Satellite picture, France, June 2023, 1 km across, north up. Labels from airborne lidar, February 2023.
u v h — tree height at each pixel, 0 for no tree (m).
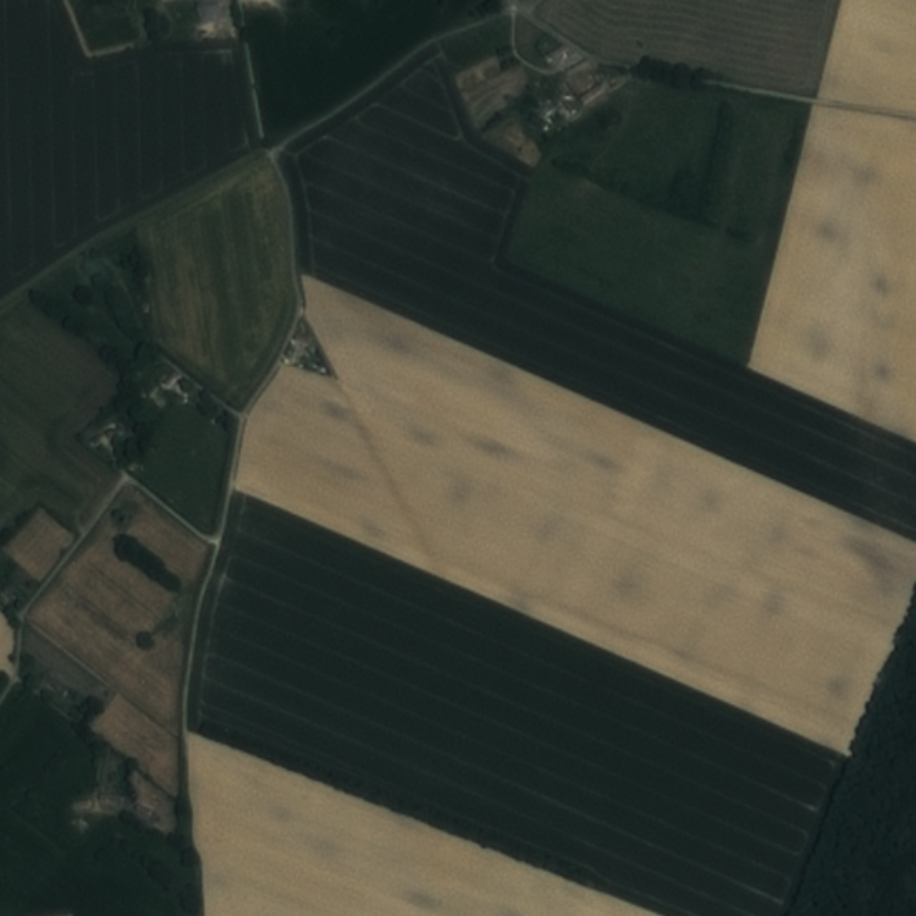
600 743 0
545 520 0
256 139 0
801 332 0
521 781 0
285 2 0
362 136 0
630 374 0
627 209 0
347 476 0
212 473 0
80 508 0
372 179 0
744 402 0
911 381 0
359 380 0
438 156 0
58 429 0
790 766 0
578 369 0
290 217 0
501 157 0
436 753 0
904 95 0
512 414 0
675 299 0
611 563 0
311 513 0
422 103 0
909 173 0
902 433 0
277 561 0
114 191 0
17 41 0
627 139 0
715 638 0
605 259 0
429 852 0
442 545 0
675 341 0
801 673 0
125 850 11
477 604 0
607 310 0
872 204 0
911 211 0
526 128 0
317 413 0
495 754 0
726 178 0
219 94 0
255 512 0
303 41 0
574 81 0
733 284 0
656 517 0
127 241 0
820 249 0
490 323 0
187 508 0
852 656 0
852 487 0
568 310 0
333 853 0
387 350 0
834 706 0
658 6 0
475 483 0
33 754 0
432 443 0
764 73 0
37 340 0
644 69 14
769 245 0
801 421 0
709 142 0
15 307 0
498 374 0
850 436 0
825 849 22
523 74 0
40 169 0
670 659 0
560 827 0
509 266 0
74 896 0
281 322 0
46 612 0
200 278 0
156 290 0
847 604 0
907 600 0
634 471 0
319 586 0
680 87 14
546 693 0
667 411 0
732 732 0
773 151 0
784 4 0
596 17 0
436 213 0
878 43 0
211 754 0
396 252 0
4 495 0
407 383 0
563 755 0
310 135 0
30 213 0
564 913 0
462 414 0
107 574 0
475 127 0
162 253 0
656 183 0
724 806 0
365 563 0
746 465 0
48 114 0
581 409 0
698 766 0
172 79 0
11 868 0
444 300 0
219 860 0
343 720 0
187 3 0
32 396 0
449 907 0
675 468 0
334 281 0
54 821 0
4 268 0
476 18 9
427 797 0
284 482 0
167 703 0
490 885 0
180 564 0
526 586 0
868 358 0
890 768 20
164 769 0
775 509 0
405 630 0
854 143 0
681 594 0
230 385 0
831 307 0
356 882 0
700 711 0
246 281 0
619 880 0
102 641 0
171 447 0
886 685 24
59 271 0
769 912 0
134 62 0
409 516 0
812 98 0
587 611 0
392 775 0
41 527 0
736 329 0
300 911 0
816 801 0
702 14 0
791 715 0
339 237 0
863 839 29
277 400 0
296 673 0
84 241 0
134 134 0
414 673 0
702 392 0
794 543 0
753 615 0
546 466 0
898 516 0
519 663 0
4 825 0
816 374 0
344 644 0
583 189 0
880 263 0
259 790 0
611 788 0
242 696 0
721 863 0
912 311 0
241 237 0
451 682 0
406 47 0
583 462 0
